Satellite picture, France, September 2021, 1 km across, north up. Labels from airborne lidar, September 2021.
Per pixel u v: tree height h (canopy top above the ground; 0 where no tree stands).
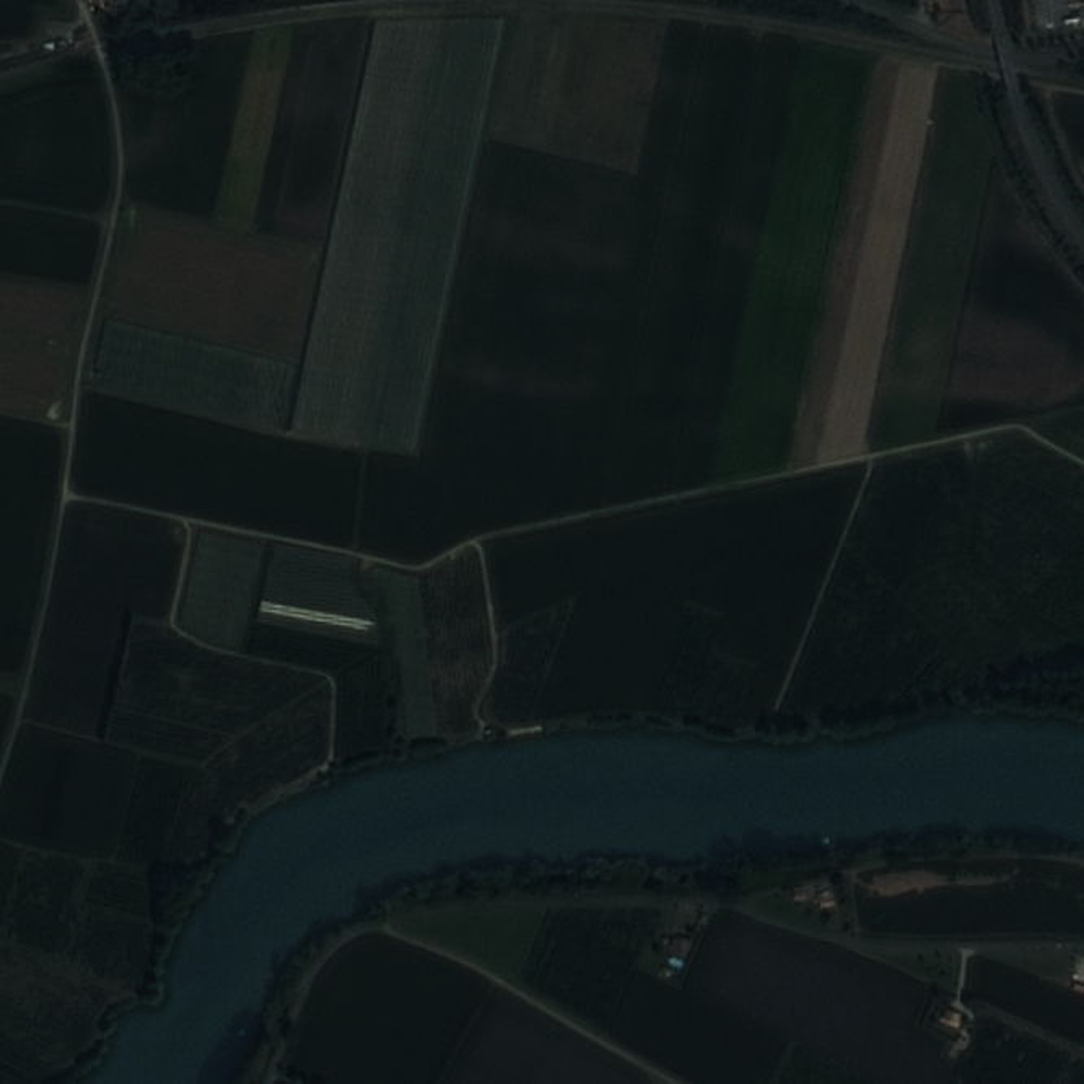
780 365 0
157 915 22
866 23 8
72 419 0
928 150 0
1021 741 0
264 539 0
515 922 0
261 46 0
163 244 0
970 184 0
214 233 0
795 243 0
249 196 0
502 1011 0
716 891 25
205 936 0
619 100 0
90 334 0
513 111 0
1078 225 0
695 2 0
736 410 0
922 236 0
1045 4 0
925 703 15
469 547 0
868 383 0
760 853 24
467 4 0
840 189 0
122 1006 7
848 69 0
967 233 0
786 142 0
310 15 0
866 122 0
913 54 0
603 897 0
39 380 0
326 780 11
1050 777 0
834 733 21
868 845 10
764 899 0
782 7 8
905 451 0
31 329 0
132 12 6
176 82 23
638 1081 0
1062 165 6
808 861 20
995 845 12
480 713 0
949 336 0
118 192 0
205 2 17
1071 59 9
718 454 0
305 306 0
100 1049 10
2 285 0
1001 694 26
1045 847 15
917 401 0
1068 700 23
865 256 0
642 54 0
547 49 0
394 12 0
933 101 0
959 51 0
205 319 0
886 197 0
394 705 9
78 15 0
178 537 0
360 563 0
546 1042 0
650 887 11
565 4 0
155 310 0
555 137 0
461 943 0
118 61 23
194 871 11
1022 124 0
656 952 7
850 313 0
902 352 0
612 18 0
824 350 0
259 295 0
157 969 17
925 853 11
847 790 0
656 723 7
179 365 0
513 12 0
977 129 0
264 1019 11
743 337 0
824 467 0
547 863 10
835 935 0
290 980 21
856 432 0
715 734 12
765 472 0
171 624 0
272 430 0
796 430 0
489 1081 0
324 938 13
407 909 14
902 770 0
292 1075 13
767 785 0
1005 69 0
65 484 0
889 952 0
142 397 0
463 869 8
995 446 0
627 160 0
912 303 0
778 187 0
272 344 0
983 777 0
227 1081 28
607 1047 0
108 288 0
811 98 0
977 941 0
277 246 0
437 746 10
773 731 19
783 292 0
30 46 0
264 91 0
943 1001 6
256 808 0
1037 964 0
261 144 0
